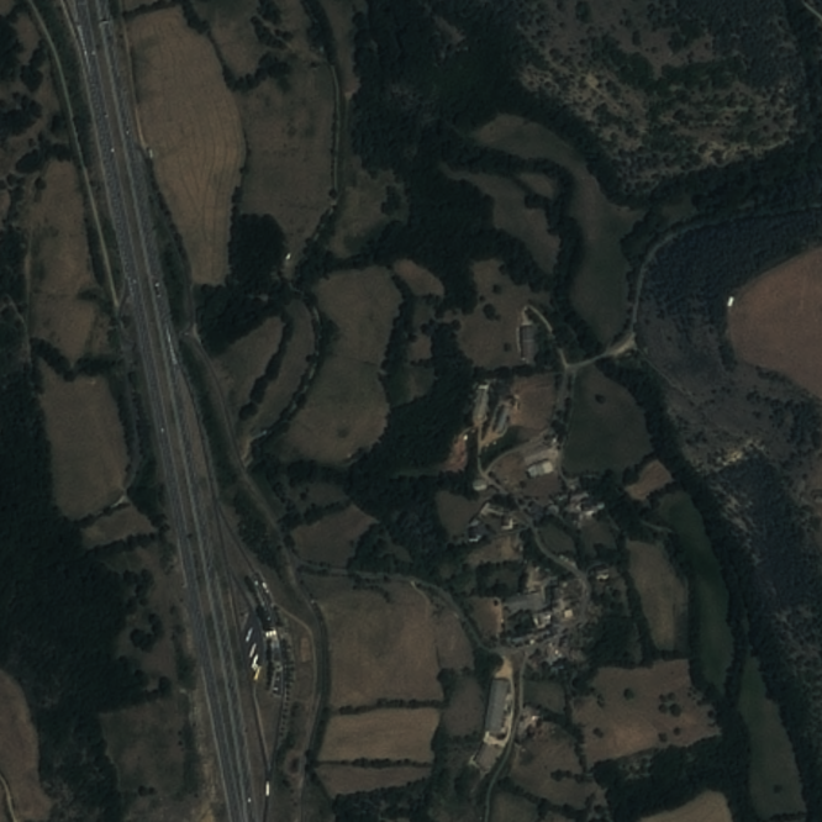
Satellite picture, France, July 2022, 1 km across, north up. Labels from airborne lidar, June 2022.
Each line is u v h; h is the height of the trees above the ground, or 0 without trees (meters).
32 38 0
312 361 14
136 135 0
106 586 19
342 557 0
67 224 0
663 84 11
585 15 8
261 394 16
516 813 0
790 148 11
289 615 0
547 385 0
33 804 0
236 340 11
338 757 0
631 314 7
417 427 16
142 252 0
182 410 0
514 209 0
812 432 7
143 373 0
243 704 0
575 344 11
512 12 11
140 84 0
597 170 16
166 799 0
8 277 16
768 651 18
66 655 11
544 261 0
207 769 0
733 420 0
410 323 17
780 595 10
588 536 0
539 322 5
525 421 0
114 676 18
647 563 0
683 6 11
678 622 0
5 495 16
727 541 16
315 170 0
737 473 9
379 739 0
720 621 0
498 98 17
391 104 15
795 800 0
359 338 0
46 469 21
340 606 0
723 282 15
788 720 22
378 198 0
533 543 7
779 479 8
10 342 14
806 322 0
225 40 0
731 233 22
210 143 0
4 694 0
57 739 9
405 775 0
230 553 0
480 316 0
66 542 19
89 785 8
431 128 10
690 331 8
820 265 0
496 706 0
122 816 12
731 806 10
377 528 12
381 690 0
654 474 0
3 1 0
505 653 0
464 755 0
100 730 9
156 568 0
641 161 13
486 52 17
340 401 0
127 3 0
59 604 18
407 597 0
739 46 14
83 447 0
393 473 7
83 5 0
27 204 0
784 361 0
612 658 8
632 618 10
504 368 9
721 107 8
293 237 0
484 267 0
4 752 0
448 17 13
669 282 12
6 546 20
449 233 22
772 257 14
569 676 7
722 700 19
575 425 0
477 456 7
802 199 9
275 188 0
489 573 14
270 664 6
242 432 0
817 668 6
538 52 6
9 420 14
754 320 0
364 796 7
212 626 0
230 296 16
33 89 11
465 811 0
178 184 0
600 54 7
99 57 0
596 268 0
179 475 0
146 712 0
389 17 16
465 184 16
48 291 0
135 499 12
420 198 8
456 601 7
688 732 0
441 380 13
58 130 10
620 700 0
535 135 0
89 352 0
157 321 0
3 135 14
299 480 13
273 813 0
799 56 14
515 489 0
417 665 0
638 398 20
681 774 12
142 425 11
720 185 25
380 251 28
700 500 18
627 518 21
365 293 0
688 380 0
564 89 6
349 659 0
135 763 0
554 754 0
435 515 17
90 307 0
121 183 0
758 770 0
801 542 11
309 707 0
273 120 0
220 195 0
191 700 0
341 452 0
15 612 9
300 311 0
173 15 0
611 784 13
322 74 0
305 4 9
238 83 9
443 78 11
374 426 0
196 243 0
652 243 6
